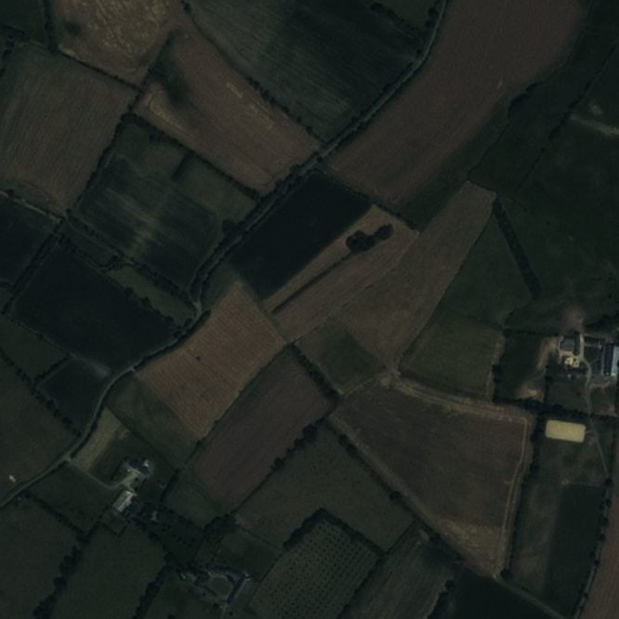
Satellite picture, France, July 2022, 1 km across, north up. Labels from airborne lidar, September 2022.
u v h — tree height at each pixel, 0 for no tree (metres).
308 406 0
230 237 11
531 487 0
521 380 0
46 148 0
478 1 0
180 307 0
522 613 0
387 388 0
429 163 0
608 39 0
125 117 11
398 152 0
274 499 0
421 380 0
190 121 0
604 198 0
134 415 0
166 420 0
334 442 0
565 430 0
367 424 0
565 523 0
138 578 0
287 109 13
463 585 0
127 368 0
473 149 0
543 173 0
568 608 0
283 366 0
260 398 0
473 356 0
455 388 0
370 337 0
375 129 0
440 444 0
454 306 0
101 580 0
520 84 0
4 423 0
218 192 0
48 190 0
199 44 0
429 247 0
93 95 0
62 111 0
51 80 0
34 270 8
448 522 0
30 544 0
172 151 0
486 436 0
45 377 8
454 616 0
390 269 0
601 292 0
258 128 0
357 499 0
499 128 0
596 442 0
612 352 8
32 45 0
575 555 0
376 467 0
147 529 17
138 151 0
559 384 0
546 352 0
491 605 0
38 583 0
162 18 0
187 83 0
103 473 0
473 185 0
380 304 0
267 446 0
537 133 0
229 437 0
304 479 0
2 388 0
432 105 0
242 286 0
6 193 9
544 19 0
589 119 0
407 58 0
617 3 0
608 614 0
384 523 0
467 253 0
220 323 0
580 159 0
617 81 0
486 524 0
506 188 0
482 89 0
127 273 0
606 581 0
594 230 0
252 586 0
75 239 0
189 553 0
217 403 0
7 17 0
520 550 0
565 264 0
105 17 0
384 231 12
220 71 0
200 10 0
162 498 7
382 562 11
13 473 0
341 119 0
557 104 0
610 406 0
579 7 0
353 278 0
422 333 0
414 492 0
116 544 0
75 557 19
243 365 0
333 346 0
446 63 0
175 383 0
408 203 0
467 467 0
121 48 0
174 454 0
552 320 0
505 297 0
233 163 0
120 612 0
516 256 6
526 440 0
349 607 8
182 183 0
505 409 0
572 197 0
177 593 0
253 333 0
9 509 0
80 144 0
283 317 0
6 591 0
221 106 0
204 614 0
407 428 0
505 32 0
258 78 0
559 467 0
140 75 0
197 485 0
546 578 0
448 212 0
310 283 0
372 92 0
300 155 0
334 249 0
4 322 0
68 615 0
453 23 0
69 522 7
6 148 0
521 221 0
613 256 0
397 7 0
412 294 0
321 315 0
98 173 6
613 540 0
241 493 0
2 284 8
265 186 0
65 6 0
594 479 0
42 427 0
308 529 13
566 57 0
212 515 0
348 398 0
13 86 0
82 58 0
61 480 0
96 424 8
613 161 0
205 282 10
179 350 0
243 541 0
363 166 0
